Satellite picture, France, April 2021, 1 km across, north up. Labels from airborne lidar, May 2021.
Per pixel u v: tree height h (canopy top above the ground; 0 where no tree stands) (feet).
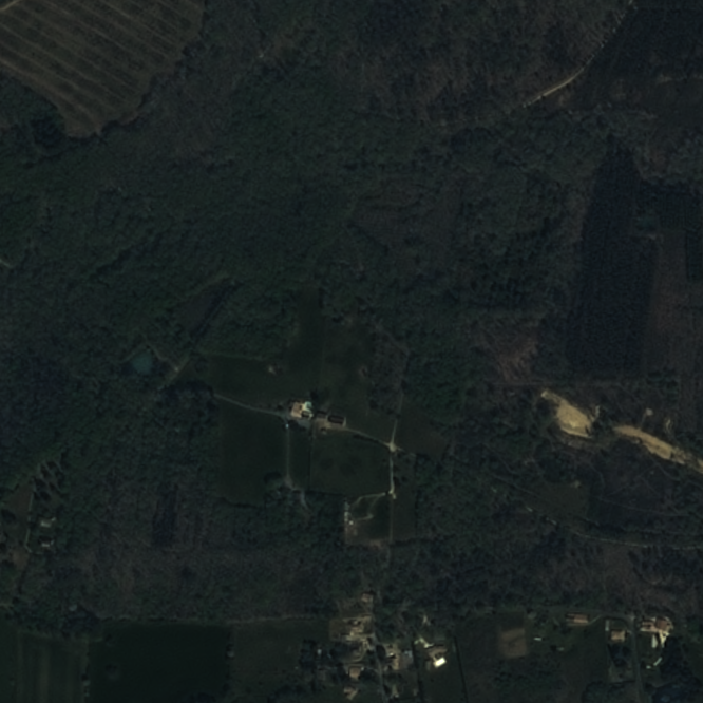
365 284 69
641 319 55
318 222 81
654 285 48
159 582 52
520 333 39
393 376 30
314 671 55
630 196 49
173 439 31
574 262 50
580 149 78
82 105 0
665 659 31
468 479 49
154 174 79
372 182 82
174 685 0
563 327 31
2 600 44
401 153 63
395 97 49
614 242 44
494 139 59
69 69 0
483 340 56
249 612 57
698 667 0
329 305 72
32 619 88
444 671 0
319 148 78
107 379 62
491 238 31
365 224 42
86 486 37
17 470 82
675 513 29
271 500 30
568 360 47
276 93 91
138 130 63
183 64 27
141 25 0
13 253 68
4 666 0
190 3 0
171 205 75
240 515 25
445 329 57
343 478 0
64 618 79
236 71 53
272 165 70
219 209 76
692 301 29
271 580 63
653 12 48
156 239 74
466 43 58
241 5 70
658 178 31
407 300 49
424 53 43
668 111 0
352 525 0
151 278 67
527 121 33
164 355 58
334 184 56
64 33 0
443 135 28
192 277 44
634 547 34
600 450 0
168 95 65
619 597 27
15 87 67
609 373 41
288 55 0
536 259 42
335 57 47
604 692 38
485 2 27
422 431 0
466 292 56
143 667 0
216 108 54
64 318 62
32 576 53
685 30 39
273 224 73
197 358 59
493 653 0
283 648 0
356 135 80
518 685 22
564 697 42
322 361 0
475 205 29
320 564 33
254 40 65
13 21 0
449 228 31
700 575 59
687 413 31
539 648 0
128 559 45
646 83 0
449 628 60
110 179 73
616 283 52
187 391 69
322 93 89
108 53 0
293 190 61
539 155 80
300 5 59
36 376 72
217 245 71
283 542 41
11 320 77
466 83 42
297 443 0
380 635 42
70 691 0
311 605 22
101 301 64
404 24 80
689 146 61
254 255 73
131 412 50
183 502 21
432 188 48
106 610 58
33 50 0
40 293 54
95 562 38
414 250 63
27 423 53
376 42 75
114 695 0
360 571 45
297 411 0
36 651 0
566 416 0
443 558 67
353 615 0
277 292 49
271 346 64
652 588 38
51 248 78
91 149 68
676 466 36
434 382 59
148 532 33
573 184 40
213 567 25
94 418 54
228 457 0
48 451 72
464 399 72
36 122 50
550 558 47
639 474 0
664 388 42
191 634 0
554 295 57
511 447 35
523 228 31
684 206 46
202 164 53
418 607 52
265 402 0
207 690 0
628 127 69
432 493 37
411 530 0
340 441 0
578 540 36
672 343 20
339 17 64
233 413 0
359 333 0
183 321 20
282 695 39
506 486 32
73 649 0
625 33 52
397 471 29
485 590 66
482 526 42
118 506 28
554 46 37
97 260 59
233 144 71
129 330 58
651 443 0
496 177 70
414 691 0
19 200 83
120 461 32
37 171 82
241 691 0
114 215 89
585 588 49
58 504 0
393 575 37
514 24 75
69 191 78
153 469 20
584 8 54
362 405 0
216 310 49
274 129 81
